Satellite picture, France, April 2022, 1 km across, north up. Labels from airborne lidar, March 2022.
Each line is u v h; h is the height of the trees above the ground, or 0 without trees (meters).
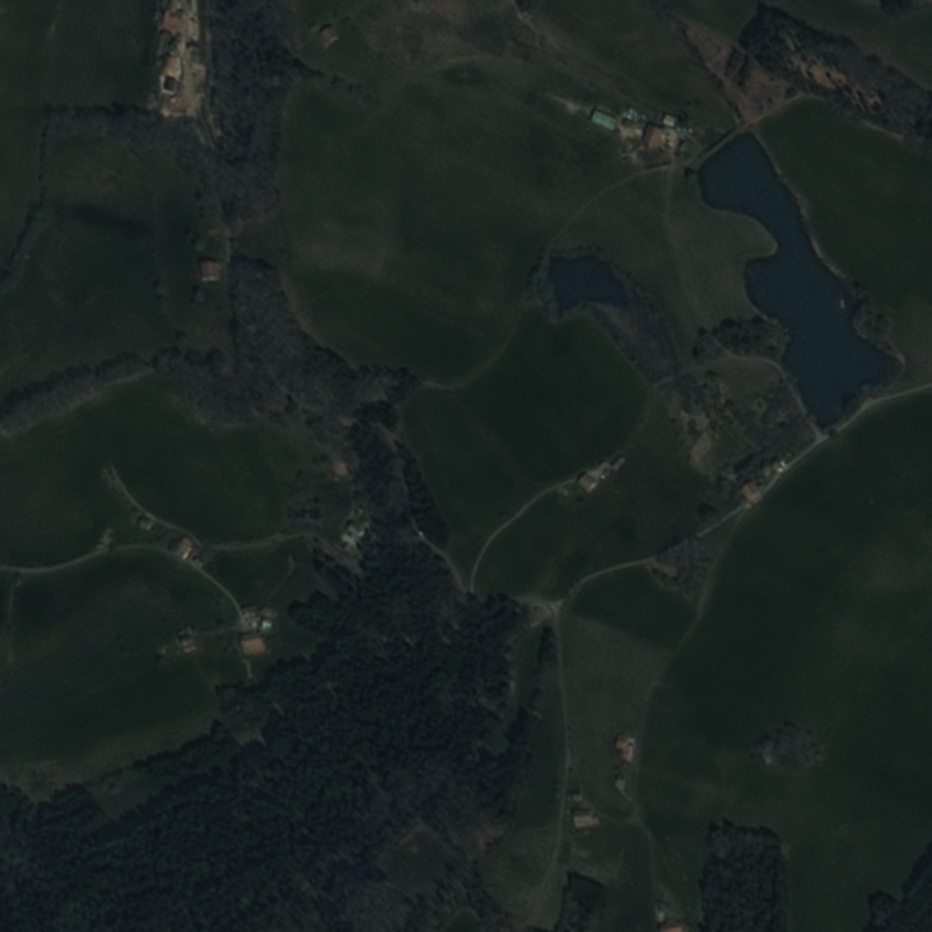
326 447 17
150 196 0
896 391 0
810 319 0
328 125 0
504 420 0
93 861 20
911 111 23
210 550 10
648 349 0
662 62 0
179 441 0
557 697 0
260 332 25
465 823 26
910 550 0
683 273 0
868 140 0
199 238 9
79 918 20
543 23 0
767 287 0
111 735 0
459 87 0
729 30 0
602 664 0
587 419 0
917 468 0
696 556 12
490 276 0
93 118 17
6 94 0
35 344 0
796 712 0
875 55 0
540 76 0
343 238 0
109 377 18
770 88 26
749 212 0
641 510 0
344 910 20
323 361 21
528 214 0
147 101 0
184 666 0
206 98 0
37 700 0
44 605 0
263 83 28
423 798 26
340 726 25
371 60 0
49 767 0
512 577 0
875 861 0
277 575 0
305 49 0
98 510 0
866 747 0
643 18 0
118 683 0
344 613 18
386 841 30
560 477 0
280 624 0
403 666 22
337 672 29
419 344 0
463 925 0
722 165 0
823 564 0
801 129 0
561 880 0
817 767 0
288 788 24
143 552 0
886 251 0
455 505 0
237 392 27
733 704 0
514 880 0
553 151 0
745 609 0
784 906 24
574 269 0
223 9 20
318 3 0
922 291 0
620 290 0
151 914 27
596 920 19
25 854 24
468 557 0
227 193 25
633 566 0
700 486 0
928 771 0
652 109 0
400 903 29
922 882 20
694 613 0
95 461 0
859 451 0
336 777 29
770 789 0
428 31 0
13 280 12
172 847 27
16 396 0
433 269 0
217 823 25
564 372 0
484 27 0
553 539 0
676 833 0
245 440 0
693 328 0
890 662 0
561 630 0
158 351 0
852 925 0
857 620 0
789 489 0
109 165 0
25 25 0
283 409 18
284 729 25
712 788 0
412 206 0
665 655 0
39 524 0
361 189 0
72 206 0
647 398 0
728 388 0
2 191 0
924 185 0
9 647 0
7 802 26
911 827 0
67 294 0
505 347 0
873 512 0
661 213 0
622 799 0
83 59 0
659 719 0
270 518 0
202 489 0
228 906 29
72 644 0
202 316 0
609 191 0
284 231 0
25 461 0
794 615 0
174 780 24
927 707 0
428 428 0
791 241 0
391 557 15
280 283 16
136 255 0
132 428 0
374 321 0
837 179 0
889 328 10
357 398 22
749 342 13
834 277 0
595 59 0
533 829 0
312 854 26
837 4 0
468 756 21
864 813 0
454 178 0
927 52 0
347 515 0
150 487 0
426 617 18
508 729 0
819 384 0
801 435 0
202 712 0
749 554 0
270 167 22
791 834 0
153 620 0
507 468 0
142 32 0
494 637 20
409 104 0
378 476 27
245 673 0
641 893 0
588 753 0
